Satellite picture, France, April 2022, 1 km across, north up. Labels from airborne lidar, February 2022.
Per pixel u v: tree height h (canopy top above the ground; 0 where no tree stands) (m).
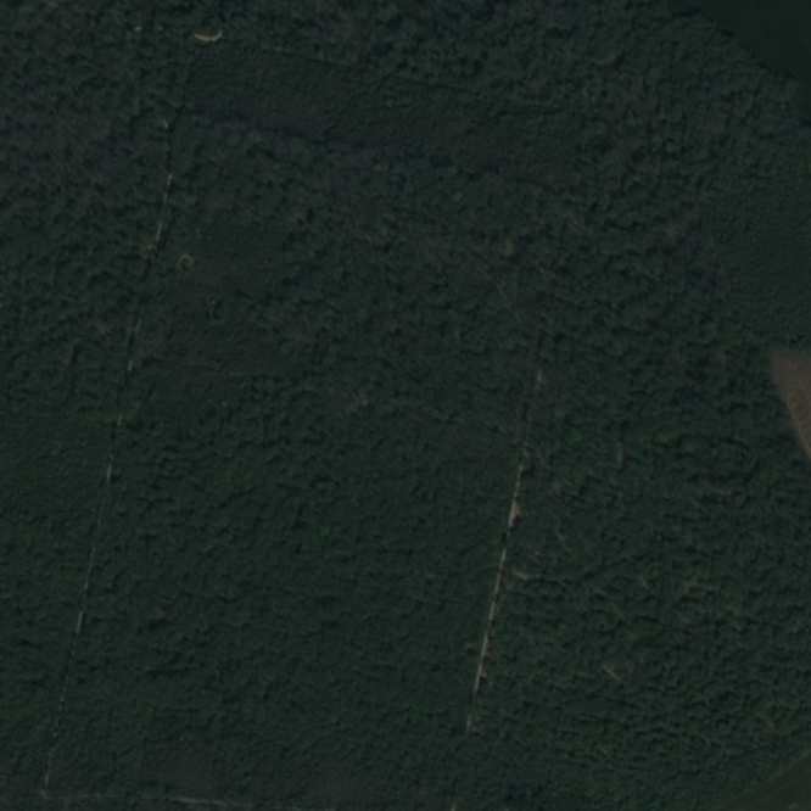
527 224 25
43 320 26
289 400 22
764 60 0
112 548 23
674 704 23
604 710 22
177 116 26
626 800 16
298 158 28
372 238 28
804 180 11
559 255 27
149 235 23
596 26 28
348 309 25
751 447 22
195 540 25
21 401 21
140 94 21
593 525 22
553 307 22
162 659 21
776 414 22
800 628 24
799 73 0
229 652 24
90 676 22
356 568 28
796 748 18
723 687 23
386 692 23
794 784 0
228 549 25
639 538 24
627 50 29
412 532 23
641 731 21
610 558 23
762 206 11
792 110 19
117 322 27
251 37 30
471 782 18
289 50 12
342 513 23
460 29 27
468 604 23
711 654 19
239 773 18
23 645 21
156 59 26
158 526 24
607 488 25
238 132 30
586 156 23
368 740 21
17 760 14
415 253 27
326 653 23
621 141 32
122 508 22
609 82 24
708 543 23
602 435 26
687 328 31
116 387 19
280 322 25
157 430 13
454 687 25
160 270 24
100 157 32
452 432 26
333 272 25
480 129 9
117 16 22
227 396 8
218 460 24
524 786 21
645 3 24
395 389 27
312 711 25
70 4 20
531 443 23
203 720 17
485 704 22
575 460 23
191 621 24
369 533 24
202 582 25
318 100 8
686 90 24
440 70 17
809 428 17
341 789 0
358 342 26
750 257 10
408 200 29
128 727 19
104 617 28
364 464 24
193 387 8
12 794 13
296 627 23
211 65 11
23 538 22
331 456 24
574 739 19
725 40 20
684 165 26
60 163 29
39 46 29
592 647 24
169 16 33
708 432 24
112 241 25
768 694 18
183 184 25
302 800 16
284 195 28
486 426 25
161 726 16
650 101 28
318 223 28
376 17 21
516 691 22
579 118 9
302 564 23
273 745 9
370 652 26
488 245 26
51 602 22
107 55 29
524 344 26
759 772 17
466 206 27
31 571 25
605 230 27
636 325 26
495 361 25
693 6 0
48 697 22
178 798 21
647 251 29
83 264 26
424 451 25
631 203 27
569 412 25
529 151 11
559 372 25
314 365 8
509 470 24
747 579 23
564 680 22
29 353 21
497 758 21
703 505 25
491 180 31
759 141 32
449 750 18
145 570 24
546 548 24
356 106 8
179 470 19
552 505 22
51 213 28
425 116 6
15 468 12
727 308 28
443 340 23
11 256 30
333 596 23
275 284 6
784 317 10
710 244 29
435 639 25
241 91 11
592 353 29
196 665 20
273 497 20
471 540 23
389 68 32
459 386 25
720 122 30
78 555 23
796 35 0
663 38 25
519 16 31
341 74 12
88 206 24
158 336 26
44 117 26
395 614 26
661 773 16
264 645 22
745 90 24
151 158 25
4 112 29
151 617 24
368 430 24
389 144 12
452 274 25
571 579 22
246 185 28
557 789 18
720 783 17
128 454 23
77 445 12
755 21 0
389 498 24
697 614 24
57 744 10
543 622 21
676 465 23
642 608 24
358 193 29
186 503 25
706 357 27
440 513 26
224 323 24
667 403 28
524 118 8
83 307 25
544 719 25
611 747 21
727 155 22
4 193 29
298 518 21
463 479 29
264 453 20
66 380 24
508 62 22
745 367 27
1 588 22
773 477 24
